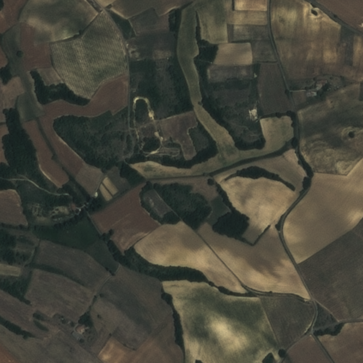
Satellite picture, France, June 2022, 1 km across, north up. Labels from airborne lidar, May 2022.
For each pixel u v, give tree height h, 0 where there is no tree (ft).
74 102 20
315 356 0
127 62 0
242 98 0
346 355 0
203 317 0
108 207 0
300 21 0
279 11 0
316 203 0
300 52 0
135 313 0
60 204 51
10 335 0
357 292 0
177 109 41
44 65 0
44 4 0
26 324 0
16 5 0
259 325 0
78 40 0
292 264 0
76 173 0
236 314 0
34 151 38
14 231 0
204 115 0
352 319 0
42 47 0
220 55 0
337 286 0
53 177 0
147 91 23
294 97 0
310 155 0
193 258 0
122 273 0
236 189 0
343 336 0
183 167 41
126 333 0
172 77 19
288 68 0
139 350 0
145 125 0
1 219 0
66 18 0
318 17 0
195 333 0
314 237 0
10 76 50
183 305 0
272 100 0
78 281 18
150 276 31
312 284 0
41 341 0
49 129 0
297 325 0
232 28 0
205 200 22
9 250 20
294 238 0
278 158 0
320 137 0
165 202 23
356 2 0
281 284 0
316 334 39
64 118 34
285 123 0
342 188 0
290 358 0
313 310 0
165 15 0
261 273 0
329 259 0
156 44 0
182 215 31
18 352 0
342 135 0
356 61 0
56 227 57
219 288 47
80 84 0
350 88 0
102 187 0
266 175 51
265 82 0
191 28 0
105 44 0
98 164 42
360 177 0
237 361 0
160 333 0
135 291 0
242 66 0
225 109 20
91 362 0
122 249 0
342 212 0
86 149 30
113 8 0
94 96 0
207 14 0
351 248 0
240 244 0
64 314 0
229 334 0
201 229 0
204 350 0
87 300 0
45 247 0
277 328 0
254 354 0
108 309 0
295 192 0
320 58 0
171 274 36
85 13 0
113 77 0
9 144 44
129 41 0
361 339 0
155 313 0
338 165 0
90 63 0
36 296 0
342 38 0
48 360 0
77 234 0
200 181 0
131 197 0
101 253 0
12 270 0
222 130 0
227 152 0
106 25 0
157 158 22
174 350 0
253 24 0
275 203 0
